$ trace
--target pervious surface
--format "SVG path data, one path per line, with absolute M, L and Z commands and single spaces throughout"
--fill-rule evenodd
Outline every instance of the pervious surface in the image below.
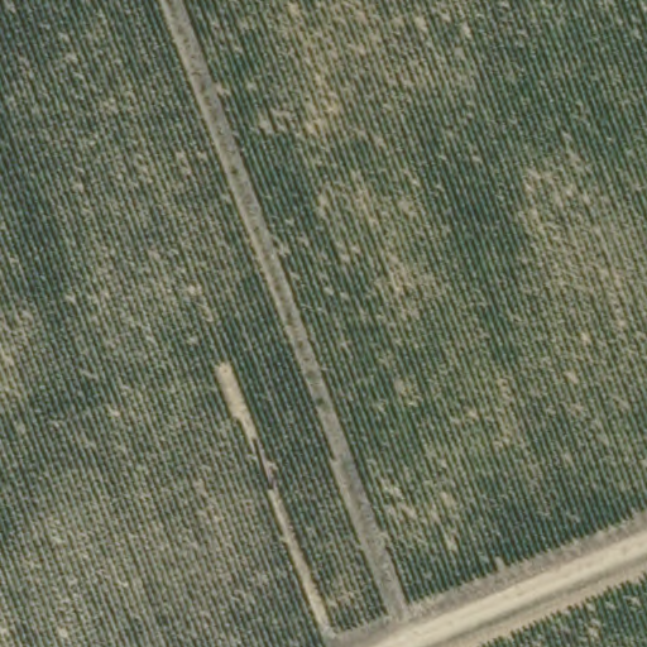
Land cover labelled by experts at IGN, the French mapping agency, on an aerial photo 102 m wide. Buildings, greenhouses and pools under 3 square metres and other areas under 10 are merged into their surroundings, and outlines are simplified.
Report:
M 614 564 L 647 553 L 647 531 L 622 538 L 609 548 L 599 548 L 569 564 L 553 566 L 533 579 L 500 589 L 485 599 L 470 602 L 460 609 L 407 627 L 372 647 L 422 647 L 470 624 L 490 619 L 500 612 L 508 612 L 518 604 L 526 604 L 536 596 L 569 586 L 591 574 L 599 574 Z

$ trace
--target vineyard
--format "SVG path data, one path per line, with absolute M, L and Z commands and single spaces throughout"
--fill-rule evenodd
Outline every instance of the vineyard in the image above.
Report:
M 536 596 L 526 604 L 518 604 L 508 612 L 500 612 L 490 619 L 470 624 L 422 647 L 647 647 L 647 553 L 614 564 L 599 574 L 591 574 L 569 586 Z
M 647 531 L 647 0 L 0 0 L 0 647 L 372 647 L 407 627 L 460 609 L 470 602 L 485 599 L 500 589 L 533 579 L 553 566 L 569 564 L 599 548 L 609 548 L 622 538 Z

